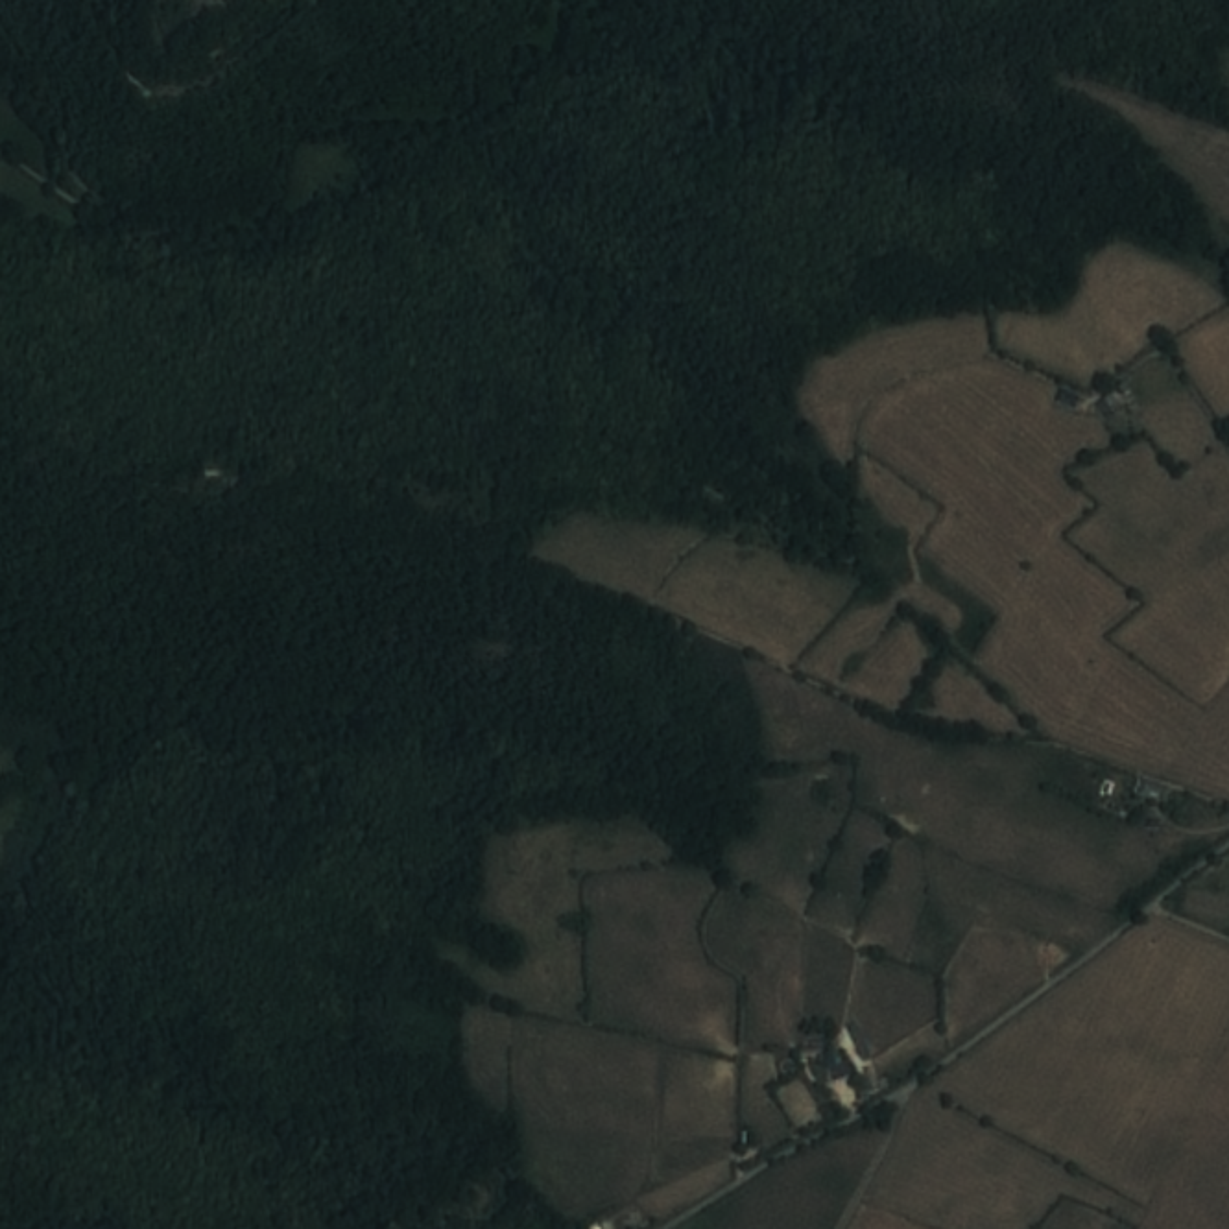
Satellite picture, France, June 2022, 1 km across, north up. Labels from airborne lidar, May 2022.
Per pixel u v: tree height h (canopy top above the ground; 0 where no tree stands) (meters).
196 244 12
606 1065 0
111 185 11
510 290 11
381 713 27
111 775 9
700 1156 0
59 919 14
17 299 15
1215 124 11
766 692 0
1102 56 13
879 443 0
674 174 12
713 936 0
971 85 7
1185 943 0
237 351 15
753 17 13
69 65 18
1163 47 15
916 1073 8
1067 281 20
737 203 16
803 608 0
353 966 12
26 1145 15
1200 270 0
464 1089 15
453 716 12
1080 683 0
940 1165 0
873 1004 0
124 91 13
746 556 0
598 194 13
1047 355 0
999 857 0
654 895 0
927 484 0
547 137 15
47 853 12
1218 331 0
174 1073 20
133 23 23
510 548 12
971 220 15
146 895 13
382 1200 16
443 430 13
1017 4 9
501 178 20
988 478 0
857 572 12
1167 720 0
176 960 15
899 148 19
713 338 14
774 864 0
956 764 0
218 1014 12
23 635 25
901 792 0
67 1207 14
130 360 14
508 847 0
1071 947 0
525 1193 16
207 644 23
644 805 11
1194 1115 0
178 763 15
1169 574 0
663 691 6
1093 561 8
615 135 12
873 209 16
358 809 14
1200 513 0
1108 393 12
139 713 17
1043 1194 0
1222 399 0
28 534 15
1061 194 24
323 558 19
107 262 11
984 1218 0
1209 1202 0
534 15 21
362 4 21
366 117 17
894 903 0
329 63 20
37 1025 22
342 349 14
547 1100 0
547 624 14
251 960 11
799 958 0
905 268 18
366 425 16
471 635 10
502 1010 14
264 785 20
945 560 0
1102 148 17
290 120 25
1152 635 0
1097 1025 0
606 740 20
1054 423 0
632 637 8
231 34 17
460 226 10
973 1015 0
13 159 18
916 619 7
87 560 13
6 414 15
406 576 16
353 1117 22
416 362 15
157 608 16
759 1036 0
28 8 12
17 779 10
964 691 0
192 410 13
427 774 15
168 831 12
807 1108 0
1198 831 0
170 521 8
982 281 19
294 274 12
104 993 12
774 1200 0
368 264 15
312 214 17
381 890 17
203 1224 16
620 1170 0
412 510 17
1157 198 19
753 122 12
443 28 15
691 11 33
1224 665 0
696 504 16
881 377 0
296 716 25
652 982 0
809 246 13
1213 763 0
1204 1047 0
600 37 25
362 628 16
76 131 12
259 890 15
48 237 16
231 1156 16
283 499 14
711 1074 0
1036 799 0
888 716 12
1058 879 0
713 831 15
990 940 0
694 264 17
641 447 14
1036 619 0
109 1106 18
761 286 13
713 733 8
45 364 16
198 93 13
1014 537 0
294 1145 24
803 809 0
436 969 14
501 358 11
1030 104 15
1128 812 10
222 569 9
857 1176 0
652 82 12
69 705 24
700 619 0
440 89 27
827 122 15
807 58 19
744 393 15
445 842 13
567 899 0
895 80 14
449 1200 9
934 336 0
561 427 12
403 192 12
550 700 8
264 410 12
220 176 18
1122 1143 0
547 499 12
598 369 16
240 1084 22
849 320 14
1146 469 0
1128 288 0
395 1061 13
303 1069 17
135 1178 13
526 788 12
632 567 0
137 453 9
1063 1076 0
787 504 14
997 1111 0
